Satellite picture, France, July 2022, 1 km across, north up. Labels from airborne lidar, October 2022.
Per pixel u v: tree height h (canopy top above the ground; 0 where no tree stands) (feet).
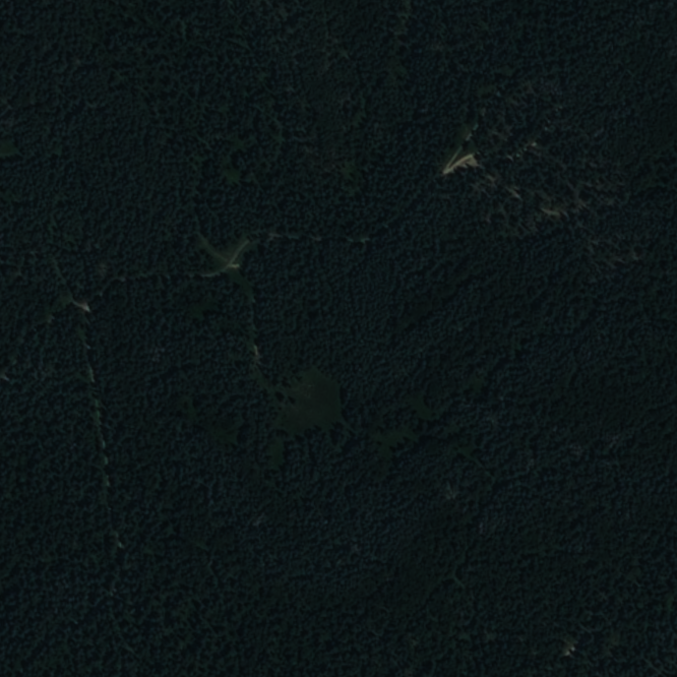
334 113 51
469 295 80
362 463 81
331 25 60
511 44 98
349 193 73
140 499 56
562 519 57
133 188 99
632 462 78
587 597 77
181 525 83
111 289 64
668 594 96
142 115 88
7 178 75
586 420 65
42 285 70
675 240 84
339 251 87
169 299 87
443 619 55
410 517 103
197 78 88
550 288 71
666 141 70
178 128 83
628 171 63
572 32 61
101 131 66
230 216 84
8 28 74
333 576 95
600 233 83
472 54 66
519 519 60
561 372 86
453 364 95
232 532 82
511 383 62
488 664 66
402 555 88
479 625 58
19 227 71
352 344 89
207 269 50
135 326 104
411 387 89
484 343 65
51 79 76
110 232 97
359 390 67
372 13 80
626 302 89
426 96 91
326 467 82
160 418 88
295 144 94
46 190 79
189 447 65
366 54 100
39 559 78
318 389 0
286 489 90
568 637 25
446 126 70
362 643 52
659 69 87
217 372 76
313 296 69
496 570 72
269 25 50
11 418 77
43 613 108
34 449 67
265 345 74
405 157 79
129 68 89
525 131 75
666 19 63
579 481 95
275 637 60
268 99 28
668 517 101
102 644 100
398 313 95
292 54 75
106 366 57
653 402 65
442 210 71
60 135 55
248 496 73
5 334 100
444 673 56
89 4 26
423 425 61
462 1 78
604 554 61
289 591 83
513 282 65
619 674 76
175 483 39
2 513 55
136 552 94
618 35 64
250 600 81
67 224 92
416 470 88
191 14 111
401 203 62
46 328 85
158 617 112
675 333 84
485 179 102
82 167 101
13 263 51
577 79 94
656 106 79
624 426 84
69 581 106
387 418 30
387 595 68
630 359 68
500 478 45
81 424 84
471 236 71
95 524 28
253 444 40
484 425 75
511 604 50
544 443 78
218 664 98
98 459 110
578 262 99
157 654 97
